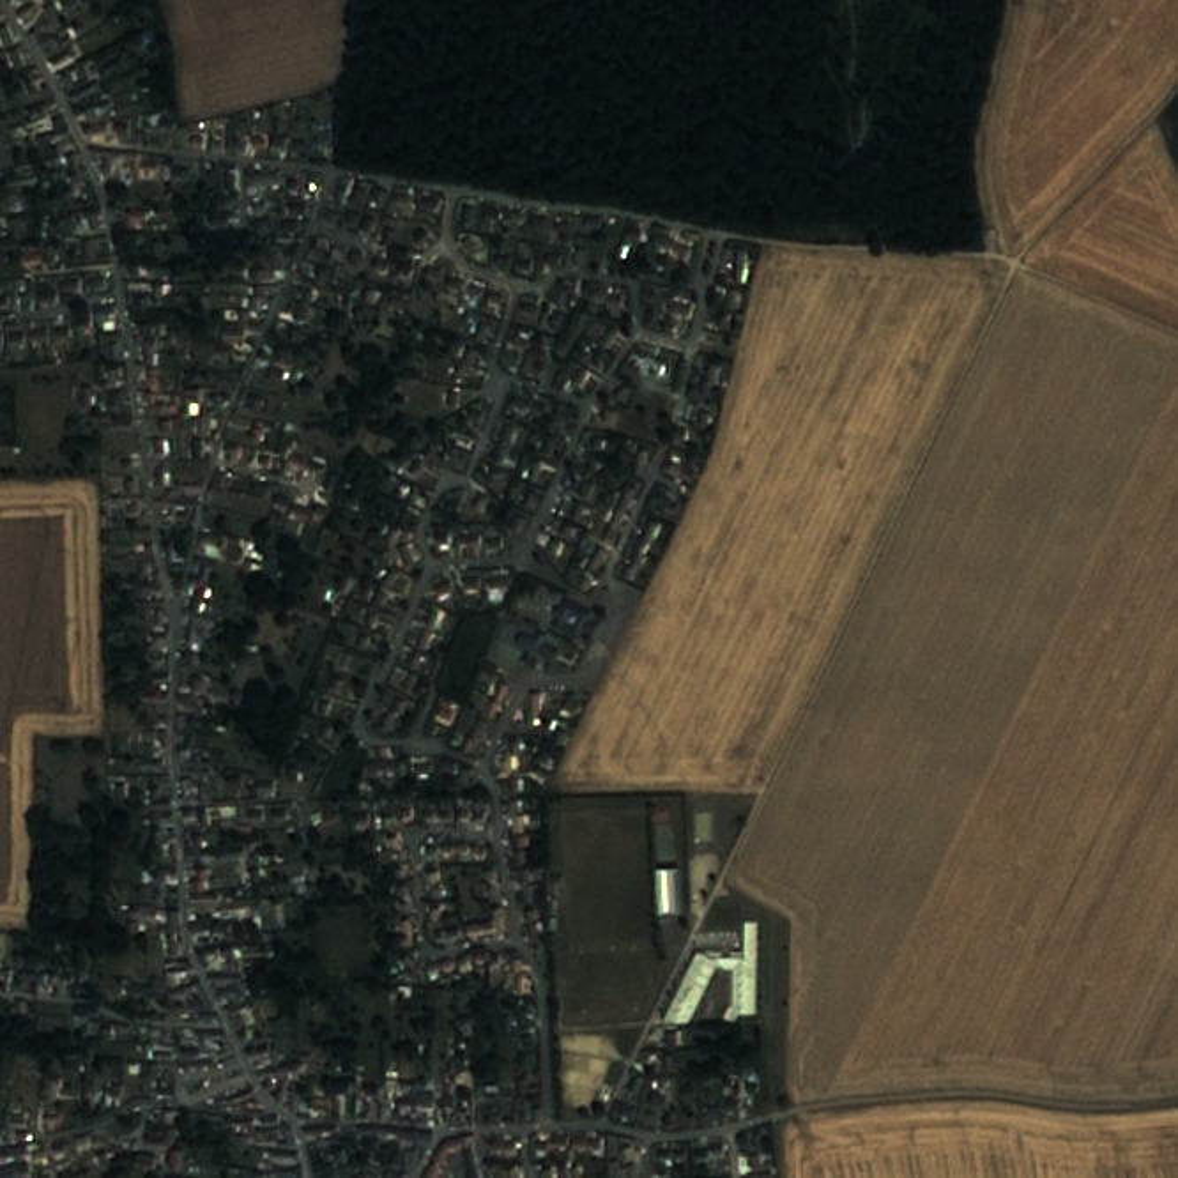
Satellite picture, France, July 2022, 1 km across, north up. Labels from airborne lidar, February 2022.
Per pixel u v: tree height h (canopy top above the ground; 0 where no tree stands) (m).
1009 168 0
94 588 0
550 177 21
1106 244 0
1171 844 0
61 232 0
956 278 0
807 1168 0
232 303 0
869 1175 0
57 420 0
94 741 8
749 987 0
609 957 0
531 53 29
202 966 0
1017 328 0
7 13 0
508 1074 0
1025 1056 0
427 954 0
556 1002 10
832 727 0
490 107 24
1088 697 0
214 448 0
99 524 0
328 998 12
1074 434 0
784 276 0
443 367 0
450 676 0
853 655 0
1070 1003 0
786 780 0
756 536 0
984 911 0
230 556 0
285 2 0
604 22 28
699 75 29
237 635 14
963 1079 0
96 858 16
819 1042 0
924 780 0
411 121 26
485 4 25
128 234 19
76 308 14
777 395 0
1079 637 0
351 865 8
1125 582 0
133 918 0
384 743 0
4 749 0
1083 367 0
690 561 0
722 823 0
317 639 0
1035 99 0
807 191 27
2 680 0
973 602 0
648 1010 0
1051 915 0
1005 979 0
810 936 0
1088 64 0
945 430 0
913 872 0
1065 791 0
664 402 0
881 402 0
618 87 26
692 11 30
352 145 15
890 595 0
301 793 0
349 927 0
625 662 0
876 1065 0
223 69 0
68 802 0
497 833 0
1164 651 0
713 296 12
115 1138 0
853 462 0
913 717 0
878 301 0
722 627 0
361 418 16
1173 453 0
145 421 0
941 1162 0
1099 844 0
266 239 9
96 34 0
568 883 0
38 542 0
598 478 7
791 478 0
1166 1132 0
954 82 25
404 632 0
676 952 0
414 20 21
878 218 18
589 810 0
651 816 6
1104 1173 0
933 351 0
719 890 0
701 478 0
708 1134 0
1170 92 0
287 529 0
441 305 0
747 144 25
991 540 0
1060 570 0
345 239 0
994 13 14
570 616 0
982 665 0
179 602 0
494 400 0
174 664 0
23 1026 23
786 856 0
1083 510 0
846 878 0
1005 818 0
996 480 0
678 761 0
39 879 16
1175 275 0
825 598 0
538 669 0
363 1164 7
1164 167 0
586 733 0
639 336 0
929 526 0
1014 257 0
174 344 0
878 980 0
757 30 28
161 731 0
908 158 26
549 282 0
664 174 27
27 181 0
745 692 0
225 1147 8
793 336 0
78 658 0
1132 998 0
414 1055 10
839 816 0
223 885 0
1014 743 0
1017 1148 0
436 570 0
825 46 30
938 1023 0
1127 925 0
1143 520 0
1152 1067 0
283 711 17
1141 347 0
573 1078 0
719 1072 7
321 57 0
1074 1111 0
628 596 0
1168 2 0
